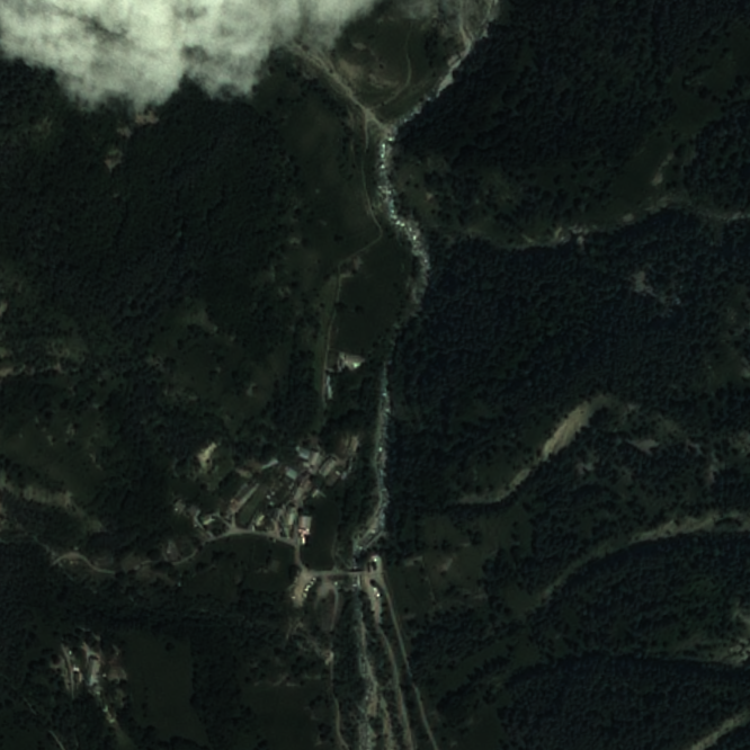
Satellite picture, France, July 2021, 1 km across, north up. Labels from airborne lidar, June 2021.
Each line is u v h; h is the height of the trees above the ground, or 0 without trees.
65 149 12
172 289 25
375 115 0
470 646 16
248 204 19
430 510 27
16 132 6
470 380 23
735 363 0
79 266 28
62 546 9
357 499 7
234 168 24
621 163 13
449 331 27
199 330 9
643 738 24
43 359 11
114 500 12
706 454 17
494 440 11
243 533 0
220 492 6
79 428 13
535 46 14
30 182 16
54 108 13
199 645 16
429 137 16
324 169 0
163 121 12
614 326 22
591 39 7
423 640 18
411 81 0
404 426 10
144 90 18
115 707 7
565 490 22
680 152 14
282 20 0
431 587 0
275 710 0
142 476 14
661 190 0
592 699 26
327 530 0
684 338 25
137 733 13
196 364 0
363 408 18
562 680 22
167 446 14
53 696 8
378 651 12
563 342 17
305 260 0
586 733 32
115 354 10
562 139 28
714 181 23
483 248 18
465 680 0
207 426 10
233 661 14
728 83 0
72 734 17
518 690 15
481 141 15
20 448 0
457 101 18
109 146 15
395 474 17
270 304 7
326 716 0
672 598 14
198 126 21
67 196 16
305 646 6
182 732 0
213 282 23
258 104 0
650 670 27
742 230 9
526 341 9
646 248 18
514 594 0
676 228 19
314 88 11
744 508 16
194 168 33
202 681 19
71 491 0
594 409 0
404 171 0
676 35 30
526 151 13
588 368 25
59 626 8
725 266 20
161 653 0
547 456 0
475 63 18
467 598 8
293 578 10
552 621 20
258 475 7
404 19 0
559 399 18
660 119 9
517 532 7
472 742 0
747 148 21
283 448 10
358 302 0
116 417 11
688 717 25
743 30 0
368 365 12
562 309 9
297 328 8
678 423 6
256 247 16
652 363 21
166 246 33
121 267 21
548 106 13
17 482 7
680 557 11
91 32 7
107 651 12
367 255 0
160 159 19
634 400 16
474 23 0
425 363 18
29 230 29
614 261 22
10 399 16
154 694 0
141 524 14
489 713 0
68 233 21
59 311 8
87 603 16
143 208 20
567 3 17
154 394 12
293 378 16
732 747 18
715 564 11
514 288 22
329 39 0
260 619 12
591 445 17
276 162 11
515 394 25
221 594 0
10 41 14
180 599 13
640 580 29
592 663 29
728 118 12
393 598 0
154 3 7
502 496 0
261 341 17
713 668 6
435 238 13
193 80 21
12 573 23
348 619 9
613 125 19
